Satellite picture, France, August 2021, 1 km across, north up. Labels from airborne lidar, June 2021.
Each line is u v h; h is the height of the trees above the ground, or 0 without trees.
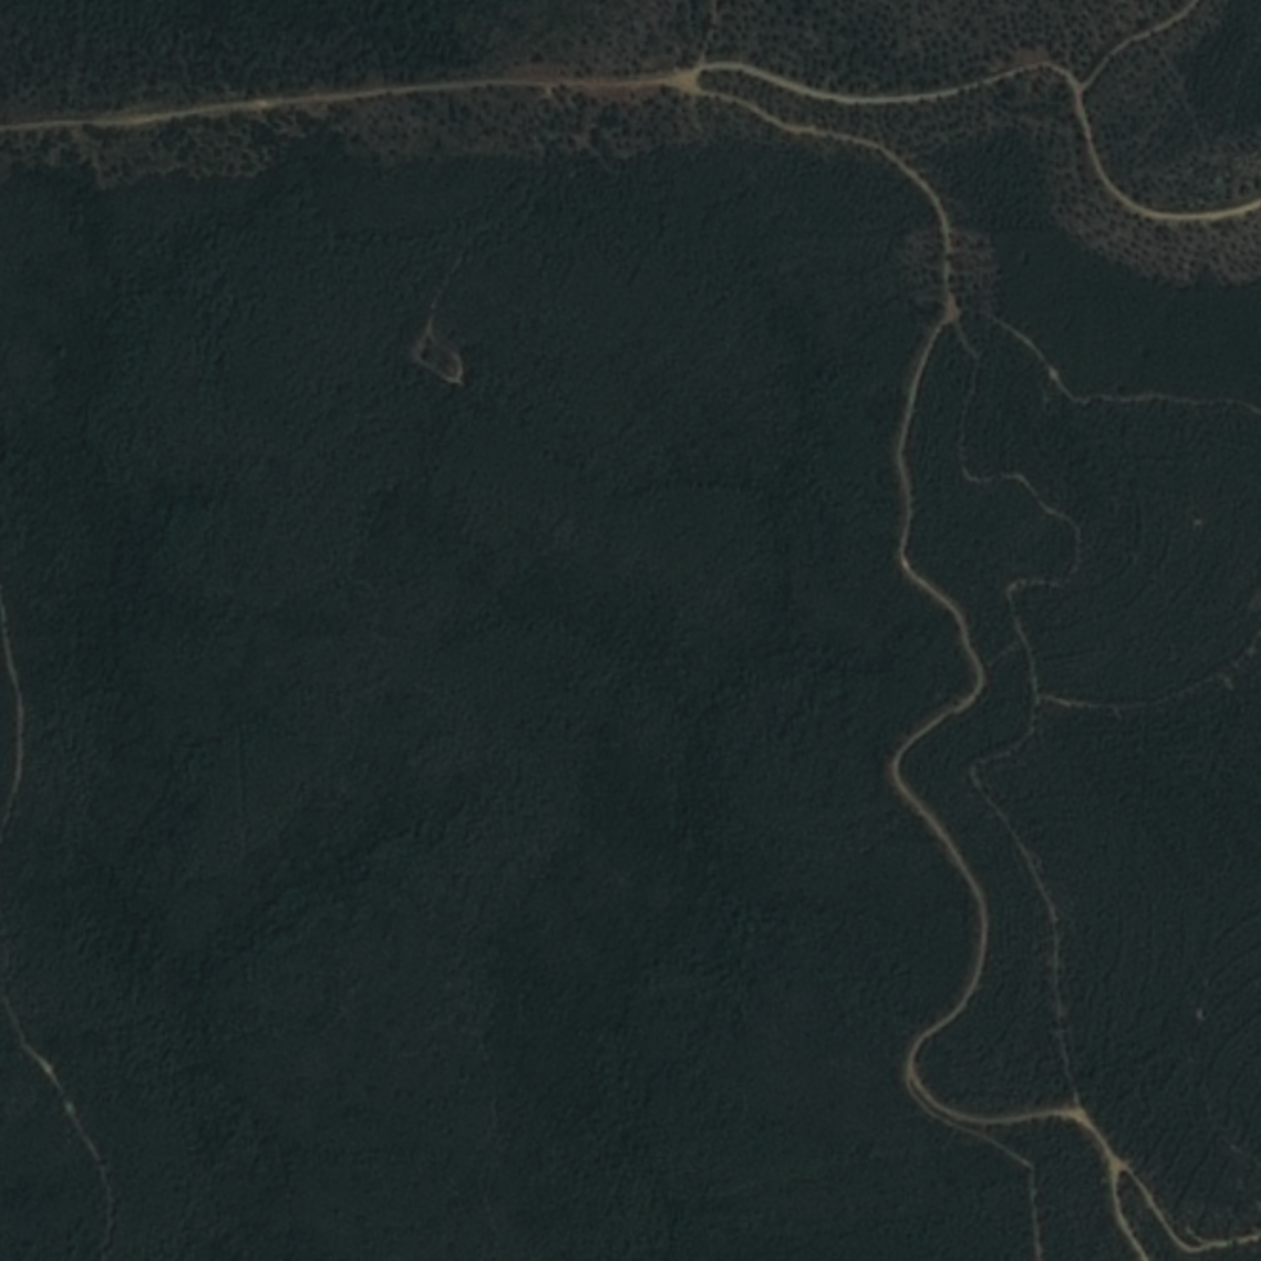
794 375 6
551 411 7
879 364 8
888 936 6
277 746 6
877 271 7
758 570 7
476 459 6
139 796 6
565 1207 7
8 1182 5
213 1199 7
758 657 7
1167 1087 7
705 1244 11
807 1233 7
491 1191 6
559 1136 7
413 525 6
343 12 8
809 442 9
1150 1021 7
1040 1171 6
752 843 7
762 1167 6
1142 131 6
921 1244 6
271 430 6
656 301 5
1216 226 7
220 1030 6
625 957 7
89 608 6
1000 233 9
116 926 7
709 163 7
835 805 6
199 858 7
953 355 7
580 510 6
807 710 7
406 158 0
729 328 7
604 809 7
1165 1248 6
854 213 6
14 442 12
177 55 7
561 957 6
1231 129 6
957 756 6
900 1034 6
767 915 9
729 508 7
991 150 7
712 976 8
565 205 8
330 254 8
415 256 6
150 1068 10
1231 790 8
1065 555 6
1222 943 6
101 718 8
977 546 5
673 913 9
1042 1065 6
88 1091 7
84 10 6
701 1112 7
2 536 6
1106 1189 5
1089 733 6
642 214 9
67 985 9
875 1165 6
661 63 0
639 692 9
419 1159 7
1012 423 7
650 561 5
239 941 7
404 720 6
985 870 6
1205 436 5
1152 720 8
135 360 8
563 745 10
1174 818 9
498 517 5
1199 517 6
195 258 10
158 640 6
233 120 7
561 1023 7
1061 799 7
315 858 8
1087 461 8
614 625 7
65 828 9
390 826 7
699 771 8
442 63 6
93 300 7
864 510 6
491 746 8
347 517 6
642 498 10
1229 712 8
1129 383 9
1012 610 6
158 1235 9
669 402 6
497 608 9
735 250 7
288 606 5
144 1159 6
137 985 11
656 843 8
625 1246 10
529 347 5
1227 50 6
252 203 8
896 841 6
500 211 8
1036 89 7
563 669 7
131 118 0
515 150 6
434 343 0
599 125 8
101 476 9
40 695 6
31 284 6
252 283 8
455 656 7
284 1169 8
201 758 6
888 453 6
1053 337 6
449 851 9
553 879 5
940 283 11
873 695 7
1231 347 9
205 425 5
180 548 8
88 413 6
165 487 8
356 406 10
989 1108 6
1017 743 7
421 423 7
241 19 8
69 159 7
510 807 6
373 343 7
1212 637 5
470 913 6
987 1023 7
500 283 0
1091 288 10
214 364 6
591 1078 7
